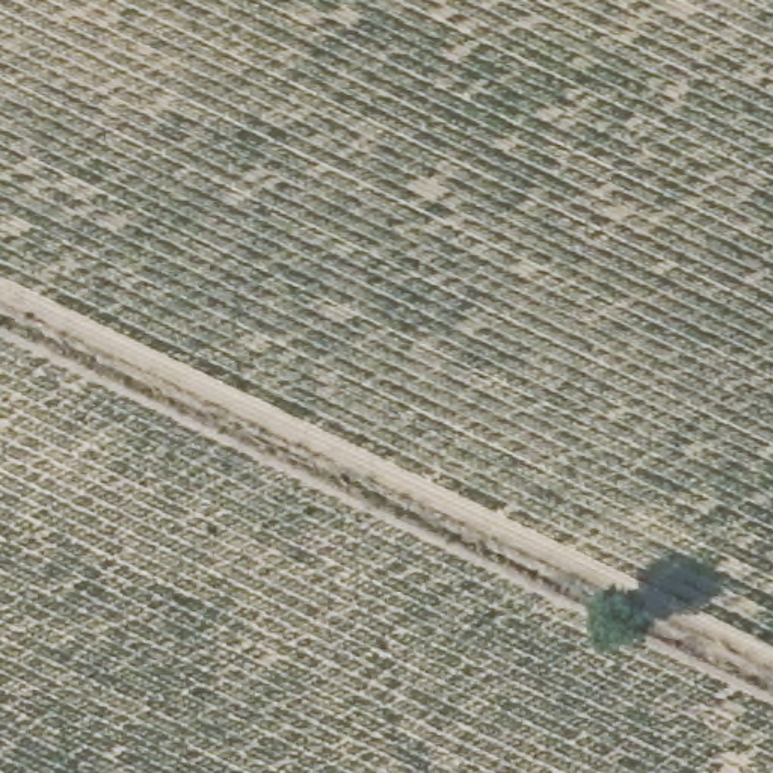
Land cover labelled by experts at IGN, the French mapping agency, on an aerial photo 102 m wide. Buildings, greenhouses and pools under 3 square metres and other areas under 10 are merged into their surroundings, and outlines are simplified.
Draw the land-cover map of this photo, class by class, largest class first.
<instances>
[{"label":"vineyard","instance_id":"1","mask_svg":"<svg viewBox=\"0 0 773 773\"><path fill-rule=\"evenodd\" d=\"M0 275L21 287H33L39 296H48L51 302L79 311L157 353H166L208 377H217L254 399H263L290 417L308 420L347 444H356L380 459H390L411 474L429 477L432 483L468 501H477L489 510H501L507 519L522 522L525 528H534L553 537L556 544H571L577 553H589L592 559L637 577V589L649 598V607L640 613L628 604V589H604L586 574L568 571L559 562L525 547H516L498 534H486L480 525L435 510L411 492L390 489L374 474H350L329 453H320L305 441H290L287 435H278L251 417H239L226 405L205 399L172 377H163L157 368H145L139 362L115 356L112 350L91 347L88 338L51 326L45 317L33 311L12 308L9 314H0V773H773V664H767L749 649H740L722 634L698 631L694 637L679 640L658 631L655 622L673 613H707L773 646V0H0Z\"/></svg>","mask_w":773,"mask_h":773},{"label":"pervious surface","instance_id":"2","mask_svg":"<svg viewBox=\"0 0 773 773\"><path fill-rule=\"evenodd\" d=\"M12 308L33 311L45 317L51 326L88 338L91 347L112 350L115 356L139 362L145 368H157L163 377H172L205 399L226 405L239 417H251L278 435H287L290 441H305L320 453H329L350 474H374L390 489L411 492L435 510L480 525L486 534H498L516 547H525L559 562L568 571L586 574L604 589H628V604L640 613L649 607V598L637 589V577L592 559L589 553H577L571 544H556L553 537L534 528H525L522 522L507 519L501 510H489L477 501H468L432 483L429 477L411 474L390 459H380L356 444H347L308 420L290 417L263 399H254L217 377H208L166 353H157L79 311L51 302L48 296H39L33 287H21L0 275V314H9ZM658 631L679 640L694 637L698 631L722 634L740 649H749L767 664H773V646L707 613H673L655 622Z\"/></svg>","mask_w":773,"mask_h":773}]
</instances>
